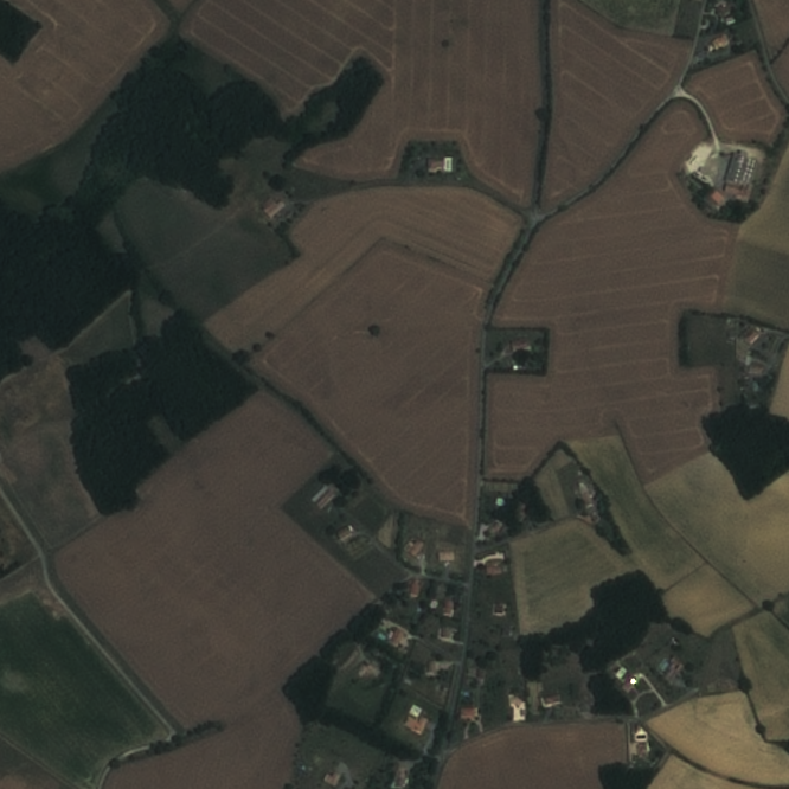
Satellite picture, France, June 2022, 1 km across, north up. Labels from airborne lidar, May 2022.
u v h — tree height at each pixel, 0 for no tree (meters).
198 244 0
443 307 0
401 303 0
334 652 15
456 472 0
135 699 0
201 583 0
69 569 0
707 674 0
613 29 0
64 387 0
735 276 0
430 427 0
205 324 0
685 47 0
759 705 0
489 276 0
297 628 0
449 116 0
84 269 17
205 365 7
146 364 23
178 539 0
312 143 13
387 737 11
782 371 0
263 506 0
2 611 0
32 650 0
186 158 16
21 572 0
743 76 0
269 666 0
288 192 6
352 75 13
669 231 0
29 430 0
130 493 12
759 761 0
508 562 10
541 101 0
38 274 17
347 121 16
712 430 17
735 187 0
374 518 0
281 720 0
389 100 0
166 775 0
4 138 0
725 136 0
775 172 0
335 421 0
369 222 0
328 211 0
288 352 0
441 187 0
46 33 0
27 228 18
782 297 0
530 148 0
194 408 20
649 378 0
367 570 0
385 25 0
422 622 9
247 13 0
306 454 0
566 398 0
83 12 0
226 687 0
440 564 0
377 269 0
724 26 7
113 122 21
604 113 0
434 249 0
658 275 0
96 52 0
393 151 0
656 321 0
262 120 22
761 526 0
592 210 0
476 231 0
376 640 8
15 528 0
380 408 0
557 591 0
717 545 0
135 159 20
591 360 0
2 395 0
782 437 19
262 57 0
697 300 0
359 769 0
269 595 0
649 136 0
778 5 0
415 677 10
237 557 0
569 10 0
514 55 0
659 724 0
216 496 0
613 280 0
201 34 0
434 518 0
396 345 0
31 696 0
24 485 0
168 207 0
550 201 0
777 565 0
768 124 0
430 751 10
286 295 0
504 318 0
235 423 0
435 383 0
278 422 0
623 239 0
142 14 0
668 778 0
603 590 13
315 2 0
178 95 12
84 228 19
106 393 15
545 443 0
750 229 0
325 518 0
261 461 0
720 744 0
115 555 0
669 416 0
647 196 0
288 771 0
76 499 0
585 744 0
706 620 0
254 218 0
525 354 13
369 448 0
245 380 11
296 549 0
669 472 0
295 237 0
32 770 0
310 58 0
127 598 0
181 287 0
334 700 0
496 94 0
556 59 0
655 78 0
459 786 0
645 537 0
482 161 0
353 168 0
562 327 0
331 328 0
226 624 0
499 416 0
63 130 0
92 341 0
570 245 0
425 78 0
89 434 12
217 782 0
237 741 0
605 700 16
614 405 0
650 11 0
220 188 19
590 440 0
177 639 0
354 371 0
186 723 0
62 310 18
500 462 0
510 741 0
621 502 0
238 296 0
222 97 21
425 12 0
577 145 0
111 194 13
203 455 0
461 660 0
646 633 13
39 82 0
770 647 0
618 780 15
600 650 17
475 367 0
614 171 6
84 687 0
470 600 0
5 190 0
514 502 14
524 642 13
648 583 12
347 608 0
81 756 0
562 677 0
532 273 0
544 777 0
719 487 0
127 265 26
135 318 7
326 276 0
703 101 0
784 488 0
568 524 0
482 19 0
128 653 0
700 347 0
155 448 16
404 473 0
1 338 16
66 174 0
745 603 0
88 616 0
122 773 0
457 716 7
